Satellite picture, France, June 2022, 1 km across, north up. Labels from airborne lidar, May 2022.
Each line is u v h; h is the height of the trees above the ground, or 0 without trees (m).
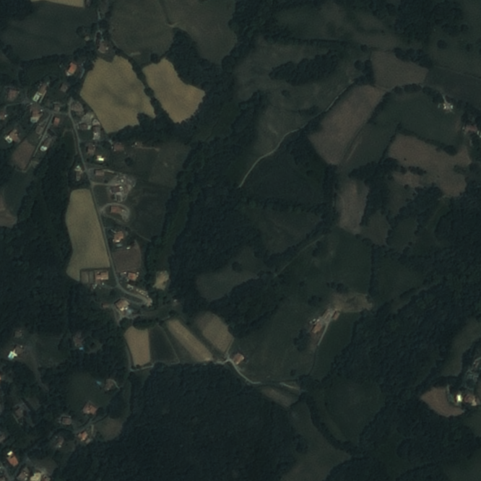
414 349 12
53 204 9
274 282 16
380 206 19
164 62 0
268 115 0
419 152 0
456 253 17
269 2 23
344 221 0
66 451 0
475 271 29
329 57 8
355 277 0
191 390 24
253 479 13
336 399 0
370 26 0
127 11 0
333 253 0
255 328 18
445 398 0
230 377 19
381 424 21
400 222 18
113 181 0
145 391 21
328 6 0
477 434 0
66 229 9
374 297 18
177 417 18
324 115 7
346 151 0
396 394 7
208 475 20
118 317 0
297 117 0
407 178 0
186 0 0
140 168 0
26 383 21
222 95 28
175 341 0
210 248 27
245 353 0
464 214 18
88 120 0
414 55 22
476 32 0
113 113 0
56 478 22
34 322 12
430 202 23
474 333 0
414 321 8
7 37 0
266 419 8
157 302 11
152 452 26
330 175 16
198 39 0
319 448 0
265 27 9
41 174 22
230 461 19
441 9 13
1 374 11
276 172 0
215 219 14
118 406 27
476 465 0
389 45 0
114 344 28
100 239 0
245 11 22
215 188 18
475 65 0
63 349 9
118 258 0
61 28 0
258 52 0
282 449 22
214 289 0
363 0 8
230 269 0
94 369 18
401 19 9
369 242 13
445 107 0
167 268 0
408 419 23
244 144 7
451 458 25
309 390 19
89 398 0
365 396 0
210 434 21
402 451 19
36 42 0
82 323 19
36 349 0
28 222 11
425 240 0
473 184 15
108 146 13
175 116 0
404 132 8
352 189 0
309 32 0
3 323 6
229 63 18
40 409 7
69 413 11
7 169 21
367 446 17
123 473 14
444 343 19
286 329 0
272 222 0
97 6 14
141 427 29
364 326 24
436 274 23
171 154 0
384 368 13
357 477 22
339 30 0
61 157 11
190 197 17
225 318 17
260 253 21
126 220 0
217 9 0
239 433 13
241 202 20
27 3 21
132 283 7
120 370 19
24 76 21
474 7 0
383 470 21
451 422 20
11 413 18
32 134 0
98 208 0
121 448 25
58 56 14
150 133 27
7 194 0
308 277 0
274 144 0
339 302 0
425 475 21
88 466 23
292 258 19
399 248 0
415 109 0
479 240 18
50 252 15
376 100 0
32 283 25
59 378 24
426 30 23
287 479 0
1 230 18
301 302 0
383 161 7
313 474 0
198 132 18
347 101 0
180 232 0
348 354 23
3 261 26
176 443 25
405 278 0
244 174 0
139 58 0
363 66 12
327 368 0
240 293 21
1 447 16
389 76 0
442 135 0
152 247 22
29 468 7
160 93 0
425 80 0
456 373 0
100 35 14
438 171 0
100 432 8
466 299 21
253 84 0
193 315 11
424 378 0
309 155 14
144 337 0
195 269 22
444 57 0
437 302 24
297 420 0
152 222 0
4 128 8
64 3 0
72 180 9
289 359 0
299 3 7
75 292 14
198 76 28
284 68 10
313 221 0
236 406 25
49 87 11
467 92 0
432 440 25
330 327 0
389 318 17
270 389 0
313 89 0
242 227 26
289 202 7
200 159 23
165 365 17
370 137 0
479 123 16
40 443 8
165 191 0
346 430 0
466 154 0
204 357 0
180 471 16
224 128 0
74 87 15
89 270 0
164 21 0
